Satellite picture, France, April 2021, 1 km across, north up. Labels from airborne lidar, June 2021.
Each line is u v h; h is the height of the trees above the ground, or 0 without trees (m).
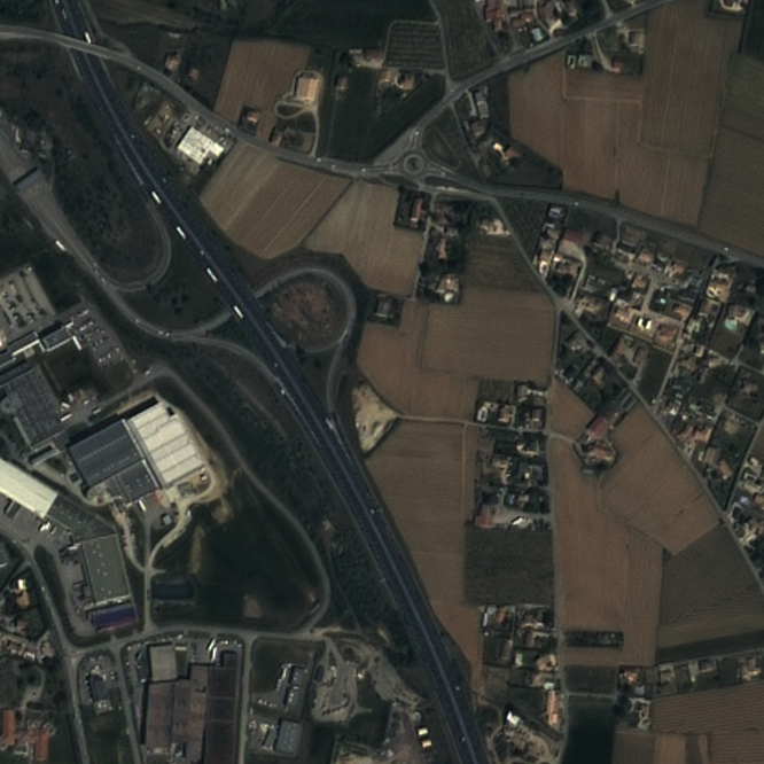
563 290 13
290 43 0
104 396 0
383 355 0
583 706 0
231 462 0
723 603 0
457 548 0
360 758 0
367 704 0
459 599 0
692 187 0
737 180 0
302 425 0
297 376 0
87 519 0
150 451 0
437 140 0
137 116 0
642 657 0
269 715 0
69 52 0
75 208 12
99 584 0
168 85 0
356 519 0
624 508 0
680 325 0
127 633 0
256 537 0
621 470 0
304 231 0
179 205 0
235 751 0
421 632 0
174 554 0
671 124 0
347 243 0
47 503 0
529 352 0
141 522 0
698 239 0
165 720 0
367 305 10
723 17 0
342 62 8
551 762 0
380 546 0
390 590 0
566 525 0
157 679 0
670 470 0
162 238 0
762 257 0
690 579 0
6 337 0
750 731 0
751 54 0
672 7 0
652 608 0
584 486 0
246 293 0
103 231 8
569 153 0
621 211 0
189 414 0
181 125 0
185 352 8
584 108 0
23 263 0
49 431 0
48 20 0
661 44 0
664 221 0
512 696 0
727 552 0
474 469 0
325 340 0
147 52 0
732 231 0
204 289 0
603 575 0
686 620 0
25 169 0
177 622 0
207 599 0
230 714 0
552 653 7
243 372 0
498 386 0
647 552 0
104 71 0
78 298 0
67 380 0
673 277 0
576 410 0
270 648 0
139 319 0
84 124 9
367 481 0
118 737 0
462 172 0
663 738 0
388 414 0
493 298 0
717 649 0
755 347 9
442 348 0
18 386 0
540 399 0
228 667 0
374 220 0
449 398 0
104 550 0
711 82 0
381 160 0
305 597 0
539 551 0
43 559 0
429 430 0
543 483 9
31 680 8
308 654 0
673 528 0
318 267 0
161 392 0
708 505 0
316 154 0
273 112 0
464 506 0
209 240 0
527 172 0
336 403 0
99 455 0
